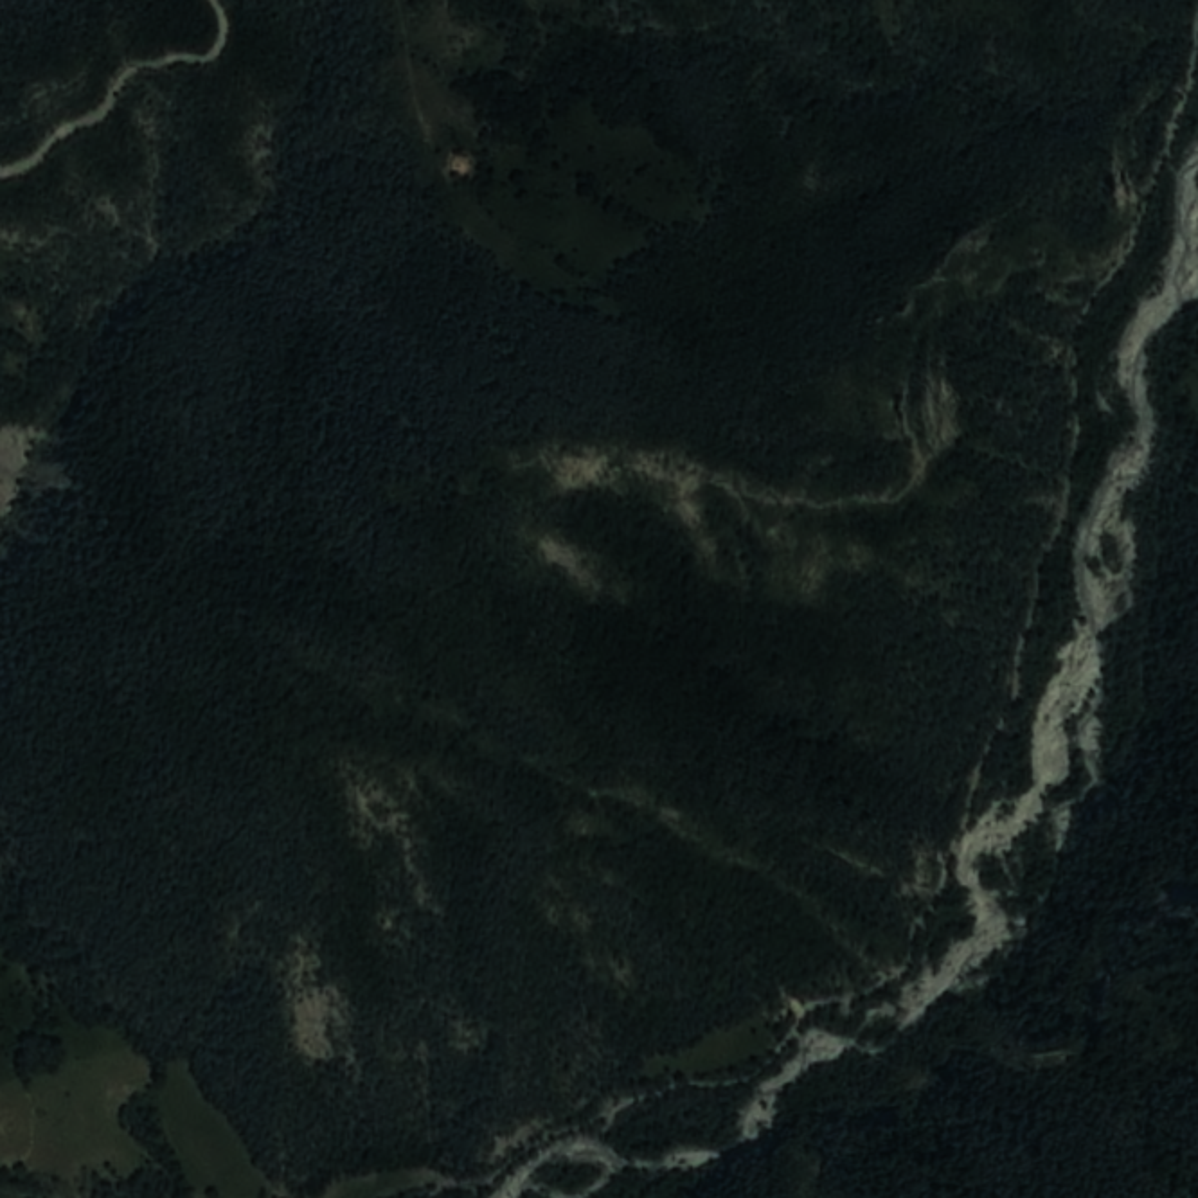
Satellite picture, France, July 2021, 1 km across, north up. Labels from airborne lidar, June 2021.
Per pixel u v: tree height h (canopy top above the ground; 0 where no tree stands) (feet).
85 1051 0
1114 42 27
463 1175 29
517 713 24
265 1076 28
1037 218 31
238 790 24
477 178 26
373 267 29
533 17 24
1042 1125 41
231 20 23
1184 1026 22
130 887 37
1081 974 26
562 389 45
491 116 27
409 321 29
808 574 0
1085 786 24
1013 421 18
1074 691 0
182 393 32
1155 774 52
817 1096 20
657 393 32
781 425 27
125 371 31
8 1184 33
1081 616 31
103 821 28
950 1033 41
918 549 29
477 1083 31
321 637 22
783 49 24
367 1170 22
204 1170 0
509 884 27
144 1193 44
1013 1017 51
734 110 32
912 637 45
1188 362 21
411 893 24
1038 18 25
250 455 31
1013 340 47
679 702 48
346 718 24
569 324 47
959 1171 53
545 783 31
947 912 32
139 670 22
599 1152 0
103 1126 0
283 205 33
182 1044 27
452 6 25
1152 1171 54
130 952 24
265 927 20
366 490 33
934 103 52
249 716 26
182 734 31
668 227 23
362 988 21
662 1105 40
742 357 33
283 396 33
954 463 37
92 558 37
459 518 34
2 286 23
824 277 42
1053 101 52
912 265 39
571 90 67
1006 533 33
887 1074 47
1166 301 0
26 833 27
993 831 0
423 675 24
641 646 70
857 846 19
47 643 32
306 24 38
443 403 30
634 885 42
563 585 33
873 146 38
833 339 34
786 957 27
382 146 26
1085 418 28
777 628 28
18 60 18
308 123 34
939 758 38
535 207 0
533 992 21
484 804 32
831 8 32
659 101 49
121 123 25
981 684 39
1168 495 34
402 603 32
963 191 52
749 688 56
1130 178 101
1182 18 41
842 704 23
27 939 60
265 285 28
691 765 30
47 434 18
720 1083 20
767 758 42
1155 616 57
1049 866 32
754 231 35
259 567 27
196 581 32
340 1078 39
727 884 27
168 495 37
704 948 26
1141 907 35
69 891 20
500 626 20
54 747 20
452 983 24
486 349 39
